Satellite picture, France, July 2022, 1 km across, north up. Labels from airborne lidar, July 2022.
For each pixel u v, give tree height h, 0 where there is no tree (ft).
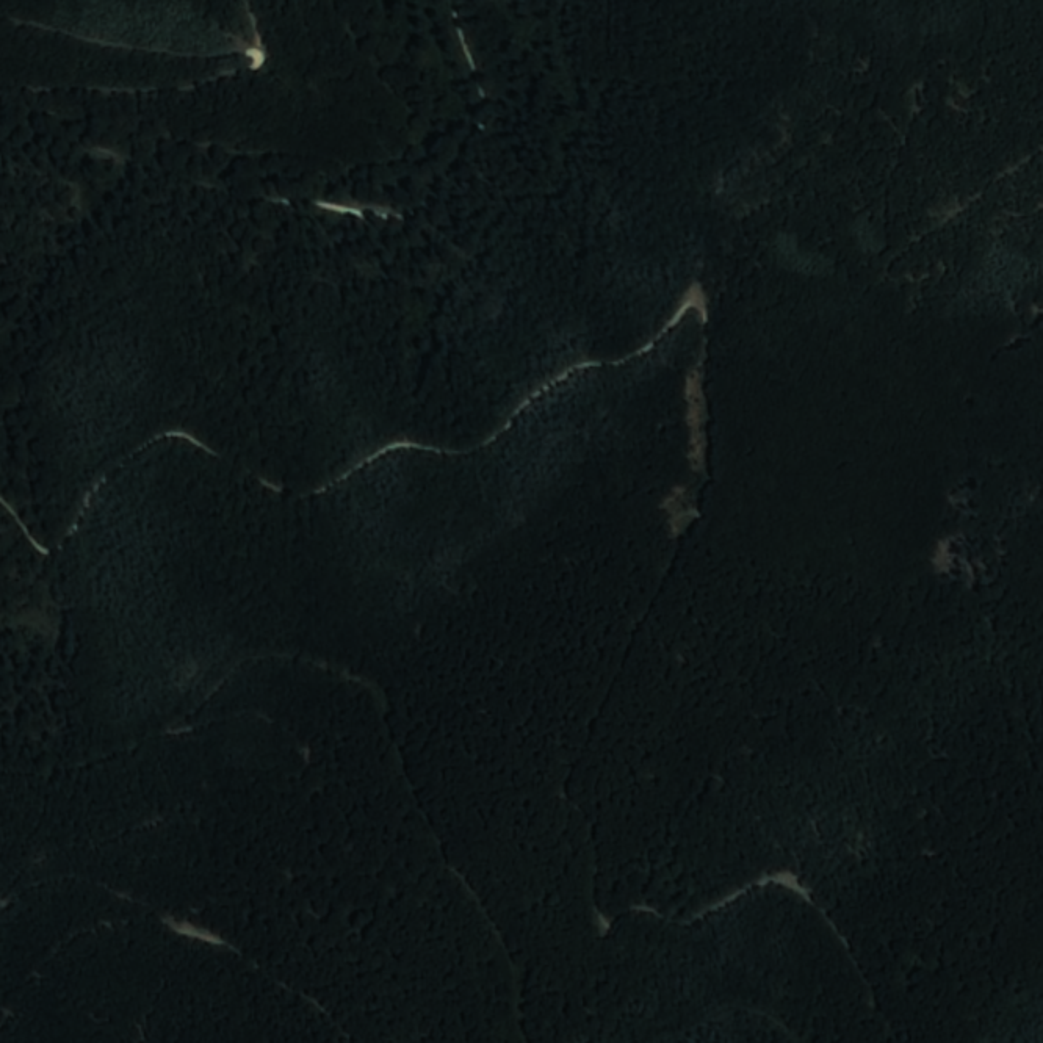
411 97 75
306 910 75
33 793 58
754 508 101
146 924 47
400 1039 79
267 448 35
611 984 71
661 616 99
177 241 50
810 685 87
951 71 68
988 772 85
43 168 85
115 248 78
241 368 67
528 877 84
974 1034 102
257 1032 70
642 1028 50
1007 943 88
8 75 80
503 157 69
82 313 53
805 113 48
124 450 31
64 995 43
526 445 26
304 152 66
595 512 76
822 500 76
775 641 76
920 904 90
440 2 91
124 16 36
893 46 58
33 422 90
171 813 46
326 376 39
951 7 54
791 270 41
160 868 43
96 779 51
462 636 73
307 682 51
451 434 69
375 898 96
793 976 50
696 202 26
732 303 55
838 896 57
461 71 72
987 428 96
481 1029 105
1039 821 100
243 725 29
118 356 53
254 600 58
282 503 40
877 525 73
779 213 60
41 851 40
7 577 48
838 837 52
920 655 74
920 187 71
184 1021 59
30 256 28
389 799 90
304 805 81
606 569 95
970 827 93
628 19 42
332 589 56
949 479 99
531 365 43
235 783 35
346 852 80
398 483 37
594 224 44
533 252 35
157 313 33
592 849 79
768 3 40
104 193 26
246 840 68
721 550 102
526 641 90
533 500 22
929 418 94
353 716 75
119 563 24
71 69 48
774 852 52
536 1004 103
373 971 78
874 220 63
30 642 46
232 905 64
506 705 97
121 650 36
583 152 68
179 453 41
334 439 42
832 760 54
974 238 53
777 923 38
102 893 52
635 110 66
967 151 61
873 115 71
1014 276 56
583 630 100
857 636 77
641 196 34
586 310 45
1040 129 63
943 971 75
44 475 73
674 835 89
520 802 115
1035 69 63
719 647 76
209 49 48
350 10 84
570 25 62
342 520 39
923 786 63
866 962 69
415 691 77
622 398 34
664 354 33
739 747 71
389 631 45
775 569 84
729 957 39
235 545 61
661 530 86
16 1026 52
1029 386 59
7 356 69
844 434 81
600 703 91
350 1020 69
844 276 47
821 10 34
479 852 100
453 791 88
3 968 52
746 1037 46
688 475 91
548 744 99
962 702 54
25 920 45
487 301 51
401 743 84
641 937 57
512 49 83
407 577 37
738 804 72
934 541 83
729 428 96
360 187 115
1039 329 101
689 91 50
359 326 51
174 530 38
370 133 56
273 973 54
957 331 75
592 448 38
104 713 37
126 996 35
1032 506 38
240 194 66
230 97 84
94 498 30
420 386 28
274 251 21
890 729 43
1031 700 70
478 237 51
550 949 96
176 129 84
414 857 89
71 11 37
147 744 43
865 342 94
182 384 42
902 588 85
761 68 46
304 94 23
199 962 65
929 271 67
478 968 70
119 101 70
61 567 59
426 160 18
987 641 73
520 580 62
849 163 61
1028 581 70
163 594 50
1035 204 62
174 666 20
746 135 32
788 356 76
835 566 64
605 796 100
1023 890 84
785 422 92
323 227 94
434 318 55
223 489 74
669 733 96
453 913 79
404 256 97
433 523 19
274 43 84
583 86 85
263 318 37
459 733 91
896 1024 69
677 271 39
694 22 49
